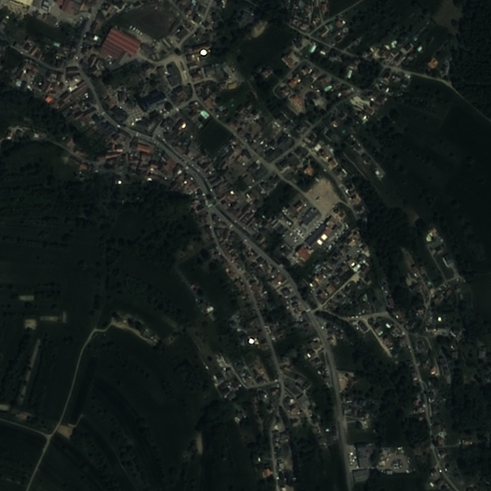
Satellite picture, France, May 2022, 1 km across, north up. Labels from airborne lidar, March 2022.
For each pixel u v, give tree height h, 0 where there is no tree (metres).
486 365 8
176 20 0
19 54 14
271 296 9
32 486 0
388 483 0
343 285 0
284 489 0
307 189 0
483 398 24
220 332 0
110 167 10
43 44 8
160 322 0
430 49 0
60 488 0
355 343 19
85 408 0
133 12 0
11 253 0
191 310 0
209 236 0
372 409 15
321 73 0
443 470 0
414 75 0
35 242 6
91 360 0
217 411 21
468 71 20
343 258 0
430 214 0
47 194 13
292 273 14
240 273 0
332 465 0
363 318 0
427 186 0
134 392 0
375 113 0
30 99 21
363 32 0
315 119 14
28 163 0
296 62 0
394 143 17
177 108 0
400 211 12
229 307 0
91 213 23
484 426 17
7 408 0
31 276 0
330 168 0
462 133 0
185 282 0
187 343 0
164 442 0
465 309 20
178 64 0
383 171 0
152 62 0
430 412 0
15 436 0
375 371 17
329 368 0
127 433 0
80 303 0
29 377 0
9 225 0
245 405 6
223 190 0
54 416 0
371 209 14
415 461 0
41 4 0
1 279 0
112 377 0
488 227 0
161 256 21
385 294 0
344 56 8
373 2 0
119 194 12
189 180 0
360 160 0
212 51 10
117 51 0
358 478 0
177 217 0
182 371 11
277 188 0
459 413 25
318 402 0
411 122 0
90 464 0
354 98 0
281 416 6
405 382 16
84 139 12
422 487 0
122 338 0
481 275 0
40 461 0
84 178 6
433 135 0
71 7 0
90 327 0
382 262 9
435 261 0
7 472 0
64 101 0
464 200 0
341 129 0
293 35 0
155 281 0
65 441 0
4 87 19
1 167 12
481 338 21
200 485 0
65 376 0
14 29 0
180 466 0
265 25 0
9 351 0
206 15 0
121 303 0
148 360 0
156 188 14
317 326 0
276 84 0
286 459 0
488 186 0
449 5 0
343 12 0
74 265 0
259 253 0
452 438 0
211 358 10
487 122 0
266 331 0
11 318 8
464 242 0
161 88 0
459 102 0
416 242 6
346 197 0
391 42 0
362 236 15
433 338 0
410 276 0
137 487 0
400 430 0
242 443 0
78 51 0
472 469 15
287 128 0
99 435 0
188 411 0
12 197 8
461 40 19
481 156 0
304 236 0
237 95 0
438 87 0
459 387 17
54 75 0
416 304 17
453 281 0
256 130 0
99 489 0
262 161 0
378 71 14
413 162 0
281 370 0
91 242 0
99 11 6
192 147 0
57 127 14
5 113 18
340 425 0
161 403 0
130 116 0
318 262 6
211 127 0
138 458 14
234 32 11
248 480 0
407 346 0
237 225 0
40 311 0
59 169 0
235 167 0
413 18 0
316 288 0
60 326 0
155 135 0
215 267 12
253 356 0
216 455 0
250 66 0
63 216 0
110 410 0
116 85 0
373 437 0
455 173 0
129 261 0
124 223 0
